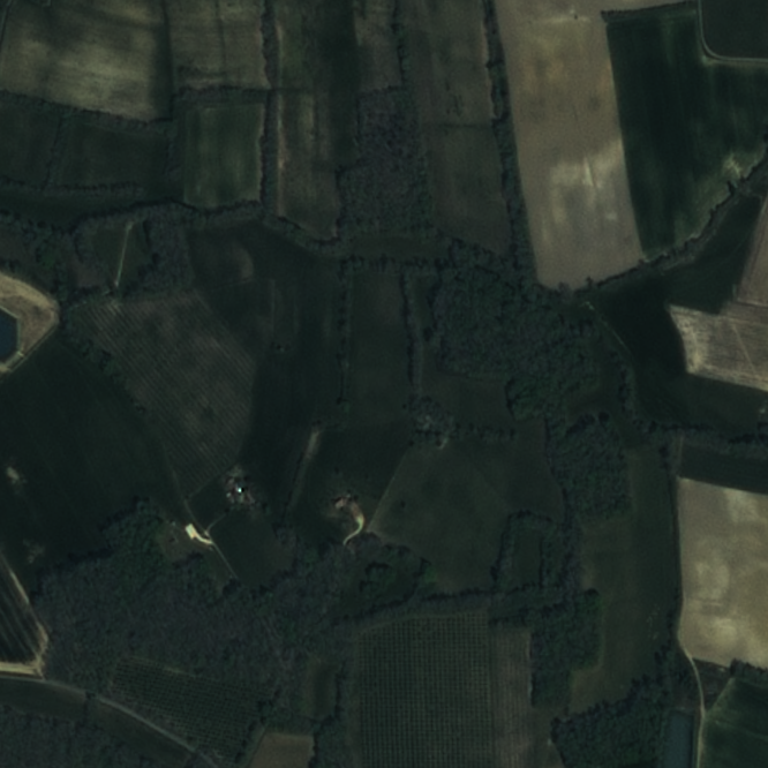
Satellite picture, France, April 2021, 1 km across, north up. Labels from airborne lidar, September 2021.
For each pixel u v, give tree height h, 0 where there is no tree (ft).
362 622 49
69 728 46
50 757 58
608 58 0
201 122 0
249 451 0
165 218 69
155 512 48
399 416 0
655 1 0
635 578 0
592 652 68
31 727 69
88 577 80
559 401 51
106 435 0
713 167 0
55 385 0
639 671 0
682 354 0
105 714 0
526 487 0
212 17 0
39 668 0
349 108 0
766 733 0
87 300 54
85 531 0
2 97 30
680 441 52
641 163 0
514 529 21
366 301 0
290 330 0
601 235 0
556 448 67
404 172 60
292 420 0
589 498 86
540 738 0
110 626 51
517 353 77
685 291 0
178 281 74
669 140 0
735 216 0
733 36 0
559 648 75
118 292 50
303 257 0
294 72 0
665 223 0
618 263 0
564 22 0
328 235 0
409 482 0
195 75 0
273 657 56
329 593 67
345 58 0
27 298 0
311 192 0
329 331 0
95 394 0
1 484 0
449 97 0
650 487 0
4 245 0
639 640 0
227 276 0
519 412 78
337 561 74
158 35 0
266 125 35
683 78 0
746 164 0
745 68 0
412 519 0
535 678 65
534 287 53
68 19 0
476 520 0
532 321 84
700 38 0
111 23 0
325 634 61
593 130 0
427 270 70
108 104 0
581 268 0
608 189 0
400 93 47
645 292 0
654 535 0
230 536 0
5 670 0
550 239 0
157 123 35
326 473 0
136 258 0
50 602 53
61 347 0
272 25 61
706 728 0
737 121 0
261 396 0
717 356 0
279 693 40
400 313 0
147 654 68
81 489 0
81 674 53
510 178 45
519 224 55
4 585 0
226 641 62
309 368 0
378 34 0
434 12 0
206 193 0
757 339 0
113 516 0
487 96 0
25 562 0
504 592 21
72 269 0
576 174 0
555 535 46
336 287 0
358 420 0
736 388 0
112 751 44
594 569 0
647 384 0
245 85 0
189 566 50
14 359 0
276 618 67
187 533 0
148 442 0
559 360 70
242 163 0
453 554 0
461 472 0
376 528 0
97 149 0
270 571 0
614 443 86
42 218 0
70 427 0
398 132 61
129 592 78
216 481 0
